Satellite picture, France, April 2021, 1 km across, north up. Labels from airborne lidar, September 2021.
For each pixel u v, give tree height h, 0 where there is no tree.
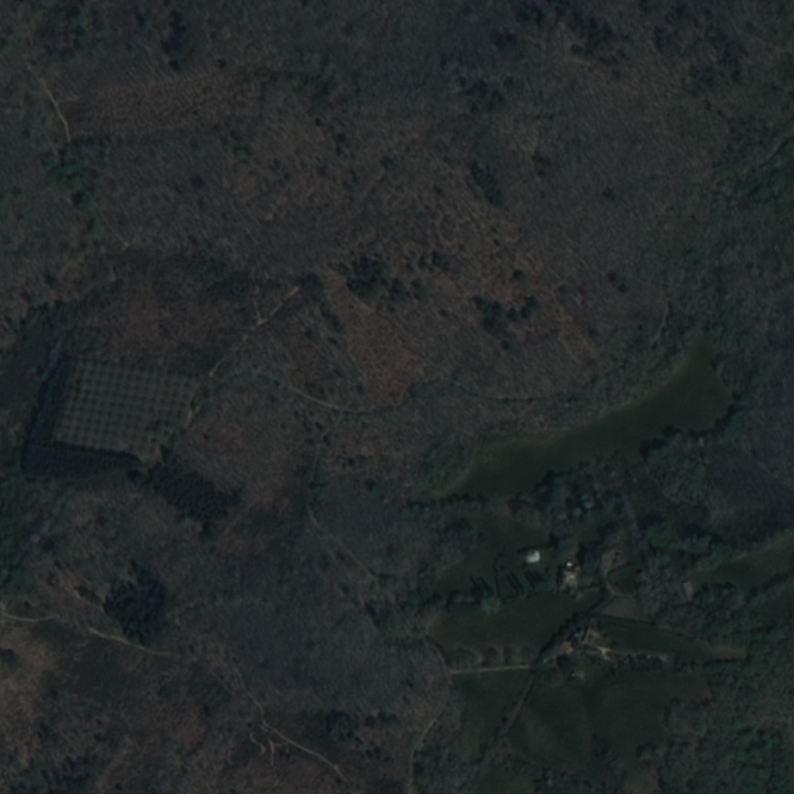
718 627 20
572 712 0
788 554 0
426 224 14
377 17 10
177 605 7
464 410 19
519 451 0
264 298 7
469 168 11
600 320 18
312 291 19
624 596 0
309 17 12
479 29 16
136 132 6
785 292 20
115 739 7
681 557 8
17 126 15
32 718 0
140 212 15
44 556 12
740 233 19
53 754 9
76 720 15
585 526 15
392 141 10
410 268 13
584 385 16
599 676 0
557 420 15
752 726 24
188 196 15
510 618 0
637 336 19
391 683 15
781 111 15
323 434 16
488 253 10
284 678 16
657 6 20
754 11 14
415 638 19
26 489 13
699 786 22
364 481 12
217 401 13
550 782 16
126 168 15
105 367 11
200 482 13
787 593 25
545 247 14
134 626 23
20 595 19
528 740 0
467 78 13
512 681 0
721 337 18
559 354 15
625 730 0
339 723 20
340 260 16
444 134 9
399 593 19
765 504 19
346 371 13
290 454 6
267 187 13
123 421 11
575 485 8
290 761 12
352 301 6
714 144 15
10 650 0
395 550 16
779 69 11
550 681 15
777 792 24
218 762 11
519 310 8
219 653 12
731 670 16
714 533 6
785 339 13
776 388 17
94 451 10
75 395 9
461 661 19
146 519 13
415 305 10
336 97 15
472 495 0
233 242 18
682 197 18
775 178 18
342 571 16
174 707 7
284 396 15
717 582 0
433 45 10
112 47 15
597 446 0
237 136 16
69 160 16
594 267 18
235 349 6
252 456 8
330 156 17
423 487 21
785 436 25
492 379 16
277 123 16
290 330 9
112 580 15
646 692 0
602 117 20
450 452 16
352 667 15
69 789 20
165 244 16
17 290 8
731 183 17
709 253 21
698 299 20
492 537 0
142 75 15
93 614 12
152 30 7
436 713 16
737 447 21
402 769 5
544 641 0
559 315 8
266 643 16
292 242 15
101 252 22
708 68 18
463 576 0
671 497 22
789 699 19
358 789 7
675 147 17
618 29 12
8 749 12
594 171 18
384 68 13
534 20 22
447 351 15
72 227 19
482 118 17
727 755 19
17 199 18
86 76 11
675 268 18
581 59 24
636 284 16
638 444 0
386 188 10
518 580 0
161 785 14
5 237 14
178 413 9
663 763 20
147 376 11
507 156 9
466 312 12
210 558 14
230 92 7
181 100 6
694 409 0
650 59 17
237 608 21
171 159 15
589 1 13
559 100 13
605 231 16
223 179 13
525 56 14
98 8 7
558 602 0
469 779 14
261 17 14
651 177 19
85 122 6
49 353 16
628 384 18
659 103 16
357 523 18
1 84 18
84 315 9
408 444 15
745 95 16
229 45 10
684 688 0
